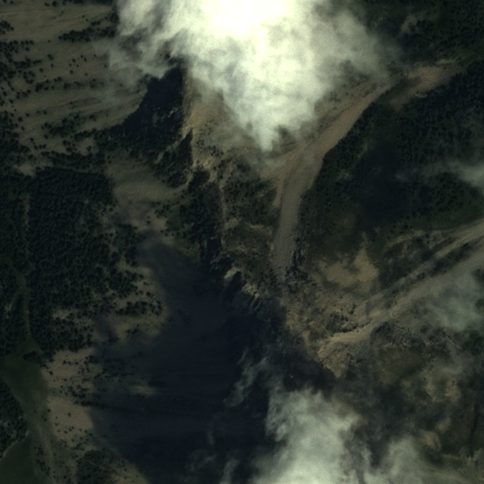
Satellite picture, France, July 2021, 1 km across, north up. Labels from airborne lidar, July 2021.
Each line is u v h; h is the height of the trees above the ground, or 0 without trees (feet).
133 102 0
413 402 0
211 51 0
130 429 0
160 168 28
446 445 0
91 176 35
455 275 0
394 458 0
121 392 0
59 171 38
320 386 0
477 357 27
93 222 42
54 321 19
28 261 58
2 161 39
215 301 0
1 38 0
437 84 0
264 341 0
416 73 0
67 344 31
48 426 0
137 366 0
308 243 0
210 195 21
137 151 22
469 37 47
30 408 0
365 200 0
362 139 33
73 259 44
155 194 0
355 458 0
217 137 0
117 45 0
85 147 0
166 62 0
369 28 23
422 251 0
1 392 45
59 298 42
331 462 0
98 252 36
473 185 30
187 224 25
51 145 0
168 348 0
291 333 0
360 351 0
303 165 0
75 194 30
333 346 0
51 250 25
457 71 0
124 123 0
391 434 0
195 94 0
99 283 47
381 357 0
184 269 0
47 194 59
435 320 38
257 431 0
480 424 0
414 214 37
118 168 0
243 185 50
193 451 37
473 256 0
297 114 0
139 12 25
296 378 0
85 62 19
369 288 0
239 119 0
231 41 0
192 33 0
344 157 23
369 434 0
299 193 0
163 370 0
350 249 0
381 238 0
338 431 0
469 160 0
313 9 0
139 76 0
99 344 0
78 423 0
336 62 27
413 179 24
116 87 0
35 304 31
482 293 25
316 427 0
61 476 0
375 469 0
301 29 0
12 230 52
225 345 0
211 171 0
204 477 0
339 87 0
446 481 0
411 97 0
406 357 0
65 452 0
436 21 0
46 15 0
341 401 0
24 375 0
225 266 22
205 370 0
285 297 0
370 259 0
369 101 0
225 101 0
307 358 0
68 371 0
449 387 0
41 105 0
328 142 0
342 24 0
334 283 0
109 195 46
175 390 0
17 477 0
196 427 0
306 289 0
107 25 0
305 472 0
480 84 66
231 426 0
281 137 0
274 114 0
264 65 21
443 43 40
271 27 0
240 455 0
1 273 51
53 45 0
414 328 0
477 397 0
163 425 0
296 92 0
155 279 0
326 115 0
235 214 20
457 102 62
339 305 0
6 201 52
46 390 0
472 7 28
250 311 0
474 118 70
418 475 0
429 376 0
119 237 25
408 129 40
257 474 0
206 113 0
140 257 0
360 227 0
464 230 0
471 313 0
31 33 0
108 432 0
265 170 0
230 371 0
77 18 0
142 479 0
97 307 38
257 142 0
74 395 32
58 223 51
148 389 0
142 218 0
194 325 0
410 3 59
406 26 0
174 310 0
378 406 0
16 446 0
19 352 0
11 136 29
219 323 0
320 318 0
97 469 25
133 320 0
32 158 30
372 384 0
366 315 0
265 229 0
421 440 0
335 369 0
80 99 0
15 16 0
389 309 0
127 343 0
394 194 22
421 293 0
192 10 0
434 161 65
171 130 21
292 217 0
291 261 0
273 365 0
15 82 0
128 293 27
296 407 0
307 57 0
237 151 0
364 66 0
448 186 25
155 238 0
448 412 0
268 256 0
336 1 0
